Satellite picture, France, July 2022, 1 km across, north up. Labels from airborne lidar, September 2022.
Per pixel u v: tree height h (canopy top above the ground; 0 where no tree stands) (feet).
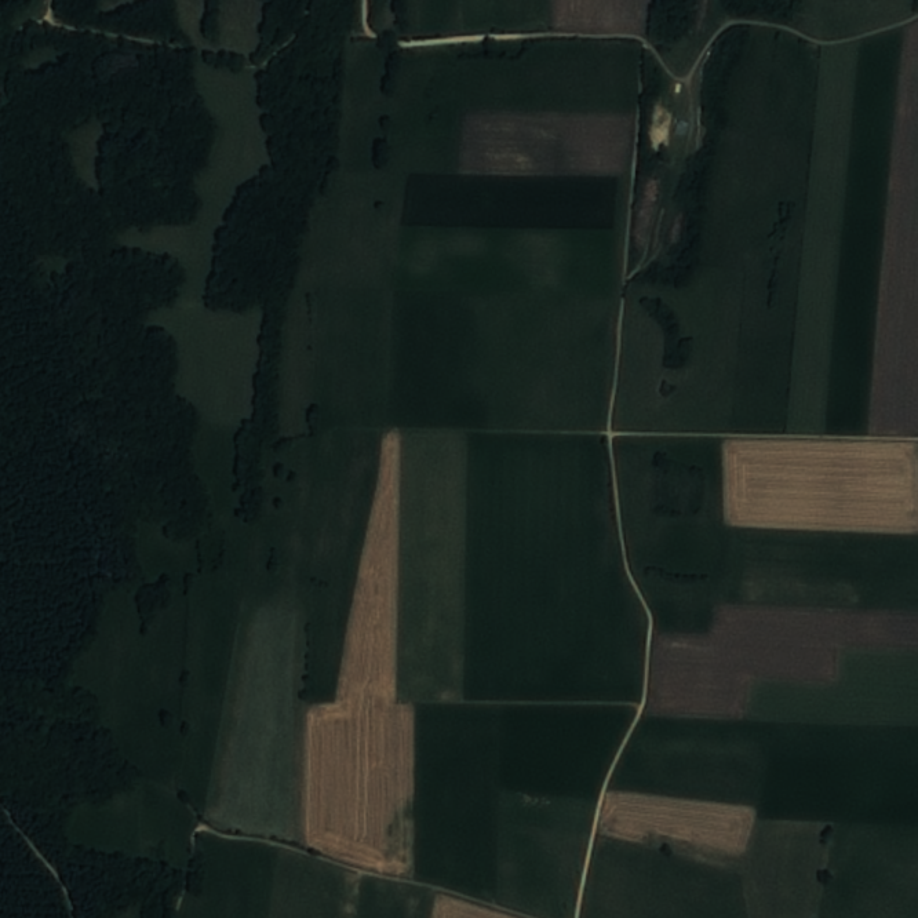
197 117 58
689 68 0
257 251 66
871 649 0
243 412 0
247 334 0
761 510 0
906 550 0
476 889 0
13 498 42
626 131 0
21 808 86
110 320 59
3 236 56
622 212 0
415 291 0
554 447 0
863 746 0
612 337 0
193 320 0
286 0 52
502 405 0
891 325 0
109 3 0
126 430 63
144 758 0
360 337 0
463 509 0
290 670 0
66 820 80
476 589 0
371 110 0
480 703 0
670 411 0
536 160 0
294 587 0
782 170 0
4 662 64
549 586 0
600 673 0
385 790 0
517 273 0
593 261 0
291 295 35
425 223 0
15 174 64
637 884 0
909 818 0
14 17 53
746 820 0
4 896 67
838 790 0
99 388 52
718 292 0
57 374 49
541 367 0
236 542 0
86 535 66
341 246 0
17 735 68
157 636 0
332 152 30
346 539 0
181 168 70
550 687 0
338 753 0
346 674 0
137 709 0
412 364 0
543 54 0
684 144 0
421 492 0
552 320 0
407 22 37
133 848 0
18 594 63
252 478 54
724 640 0
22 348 49
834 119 0
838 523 0
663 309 44
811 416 0
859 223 0
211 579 0
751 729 0
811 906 0
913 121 0
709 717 0
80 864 56
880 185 0
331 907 0
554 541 0
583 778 0
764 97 0
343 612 0
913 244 0
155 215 68
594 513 0
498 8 0
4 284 63
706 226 23
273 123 56
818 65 0
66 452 66
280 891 0
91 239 67
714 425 0
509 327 0
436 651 0
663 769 0
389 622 0
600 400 0
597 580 0
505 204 0
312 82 35
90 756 74
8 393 35
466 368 0
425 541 0
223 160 0
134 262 53
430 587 0
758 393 0
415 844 0
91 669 0
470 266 0
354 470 0
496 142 0
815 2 0
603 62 0
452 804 0
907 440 0
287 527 0
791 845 0
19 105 58
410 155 0
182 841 0
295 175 49
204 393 0
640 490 0
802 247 0
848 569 0
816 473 0
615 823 0
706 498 0
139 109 58
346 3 20
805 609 0
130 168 56
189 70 61
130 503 60
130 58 75
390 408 0
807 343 0
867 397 0
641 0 0
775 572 0
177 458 64
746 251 0
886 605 0
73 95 75
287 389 0
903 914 0
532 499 0
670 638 0
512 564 0
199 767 0
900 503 0
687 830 0
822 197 0
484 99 0
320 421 41
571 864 0
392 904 0
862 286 0
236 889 0
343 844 0
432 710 0
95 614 50
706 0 0
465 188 0
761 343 0
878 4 0
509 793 0
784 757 0
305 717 0
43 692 72
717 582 0
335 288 0
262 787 0
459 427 0
